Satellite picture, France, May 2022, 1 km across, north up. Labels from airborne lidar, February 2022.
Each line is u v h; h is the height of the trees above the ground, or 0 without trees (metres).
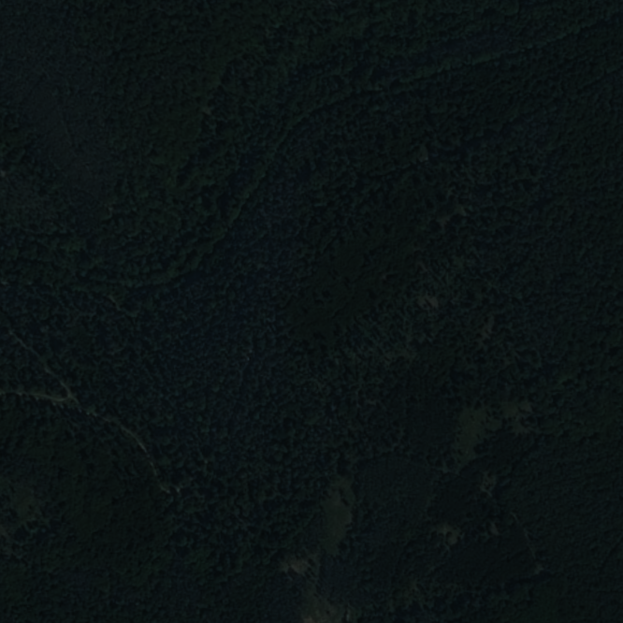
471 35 22
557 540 22
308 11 16
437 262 10
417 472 20
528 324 30
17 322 32
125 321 14
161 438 37
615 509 20
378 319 29
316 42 10
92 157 24
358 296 10
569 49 27
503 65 28
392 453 12
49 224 33
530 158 33
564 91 28
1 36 28
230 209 37
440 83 27
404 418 12
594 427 33
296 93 34
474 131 24
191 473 33
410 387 9
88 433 32
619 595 21
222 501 26
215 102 27
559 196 27
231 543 22
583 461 20
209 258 25
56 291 7
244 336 27
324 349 25
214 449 26
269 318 32
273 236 31
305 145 32
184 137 30
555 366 30
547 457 19
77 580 25
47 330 35
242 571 26
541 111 29
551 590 27
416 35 25
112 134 26
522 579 7
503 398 14
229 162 10
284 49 20
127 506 15
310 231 32
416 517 14
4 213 33
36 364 33
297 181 31
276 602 25
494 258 26
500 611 31
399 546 11
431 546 14
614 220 31
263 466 28
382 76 26
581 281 30
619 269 34
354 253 11
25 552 20
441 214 12
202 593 22
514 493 18
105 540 15
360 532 22
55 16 23
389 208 29
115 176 27
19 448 25
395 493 17
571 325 28
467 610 25
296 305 12
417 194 10
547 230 30
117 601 26
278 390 28
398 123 31
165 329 35
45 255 29
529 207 32
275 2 26
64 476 25
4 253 27
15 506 26
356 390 9
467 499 9
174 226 34
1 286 37
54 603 26
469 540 13
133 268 31
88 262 37
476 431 0
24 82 21
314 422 27
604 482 20
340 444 17
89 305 33
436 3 26
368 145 36
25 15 28
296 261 33
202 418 31
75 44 27
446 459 11
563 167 29
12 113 25
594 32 27
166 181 29
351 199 27
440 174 11
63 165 20
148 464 11
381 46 21
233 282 33
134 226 28
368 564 22
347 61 28
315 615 0
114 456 30
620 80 30
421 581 11
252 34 27
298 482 29
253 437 28
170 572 20
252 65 38
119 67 28
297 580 23
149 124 29
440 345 10
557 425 25
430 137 27
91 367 34
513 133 32
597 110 29
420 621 32
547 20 30
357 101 22
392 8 28
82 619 24
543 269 24
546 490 20
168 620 24
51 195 18
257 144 35
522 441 11
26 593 23
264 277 27
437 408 12
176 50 29
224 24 29
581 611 25
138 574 23
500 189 27
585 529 23
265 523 27
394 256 19
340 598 18
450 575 15
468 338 6
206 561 31
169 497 19
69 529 20
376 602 22
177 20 25
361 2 23
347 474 27
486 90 26
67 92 20
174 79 32
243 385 26
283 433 26
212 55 31
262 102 28
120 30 29
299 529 21
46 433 33
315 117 20
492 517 20
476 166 35
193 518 7
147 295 29
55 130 21
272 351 26
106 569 21
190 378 31
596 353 33
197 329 33
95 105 30
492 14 33
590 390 30
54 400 0
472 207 26
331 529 0
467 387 6
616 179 26
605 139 30
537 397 27
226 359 27
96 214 24
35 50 25
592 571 20
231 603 25
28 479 26
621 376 34
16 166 33
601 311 34
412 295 12
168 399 34
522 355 29
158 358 8
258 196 23
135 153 28
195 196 33
